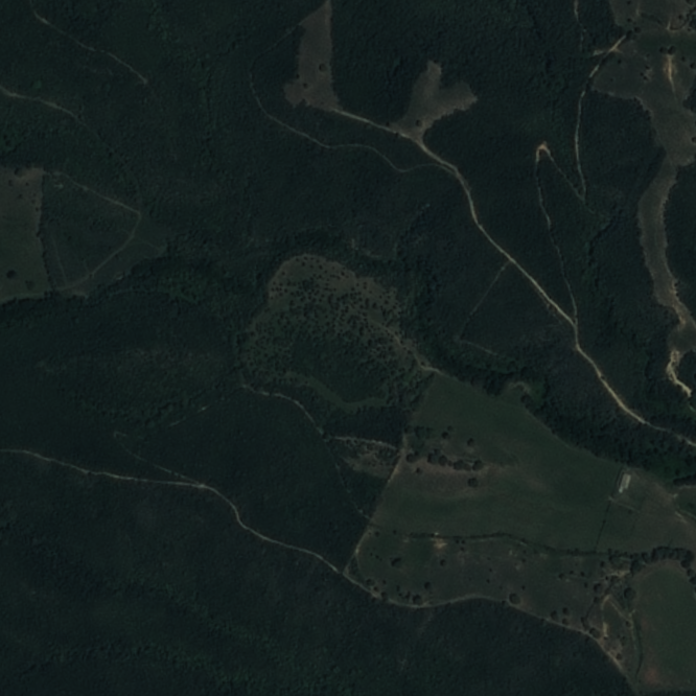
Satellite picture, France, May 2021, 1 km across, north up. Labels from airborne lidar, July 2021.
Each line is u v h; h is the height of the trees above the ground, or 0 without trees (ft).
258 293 31
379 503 40
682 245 27
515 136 24
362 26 47
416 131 0
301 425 17
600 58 24
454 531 0
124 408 31
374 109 19
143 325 21
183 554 18
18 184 0
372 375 30
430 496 0
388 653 19
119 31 17
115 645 39
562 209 22
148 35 20
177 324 20
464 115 22
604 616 0
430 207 20
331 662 25
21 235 0
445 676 21
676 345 0
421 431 54
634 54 0
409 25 47
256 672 22
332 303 37
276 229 23
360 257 33
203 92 31
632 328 35
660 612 0
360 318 22
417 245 24
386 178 20
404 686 24
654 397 32
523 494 0
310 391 22
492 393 50
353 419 21
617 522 0
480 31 35
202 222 18
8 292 0
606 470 0
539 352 24
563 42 34
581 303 22
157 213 22
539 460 0
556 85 36
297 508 25
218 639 28
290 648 21
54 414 19
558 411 44
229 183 26
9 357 18
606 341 39
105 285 30
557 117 28
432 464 39
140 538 21
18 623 22
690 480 41
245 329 25
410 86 24
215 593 20
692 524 0
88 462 20
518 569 0
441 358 64
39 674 25
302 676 27
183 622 22
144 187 18
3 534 25
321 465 19
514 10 38
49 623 20
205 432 21
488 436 0
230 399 20
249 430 21
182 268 43
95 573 31
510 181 31
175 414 24
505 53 32
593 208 22
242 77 20
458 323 17
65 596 28
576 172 37
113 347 20
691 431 28
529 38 54
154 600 25
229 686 31
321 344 24
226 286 39
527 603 0
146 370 23
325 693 31
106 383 21
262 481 19
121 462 17
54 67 18
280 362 22
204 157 32
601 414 32
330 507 27
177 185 18
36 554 28
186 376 26
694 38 0
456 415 0
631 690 27
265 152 17
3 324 25
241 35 37
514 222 21
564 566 0
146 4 17
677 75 0
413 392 39
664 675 0
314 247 23
